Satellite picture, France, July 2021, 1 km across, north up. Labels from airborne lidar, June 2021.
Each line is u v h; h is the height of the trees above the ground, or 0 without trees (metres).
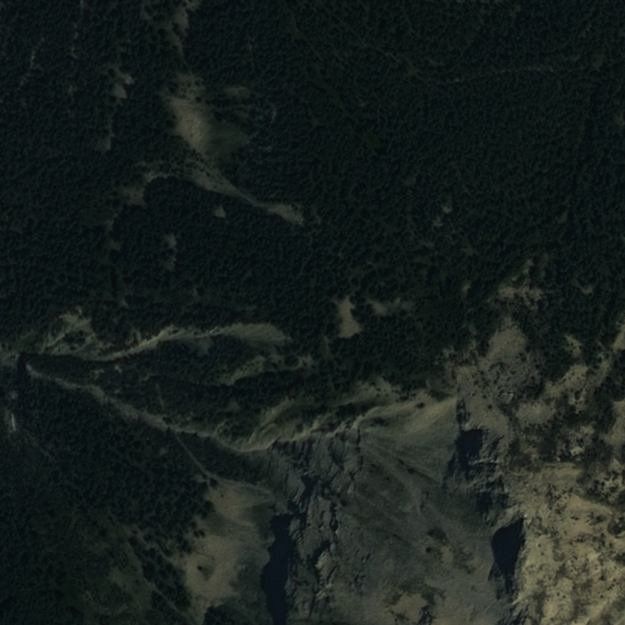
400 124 22
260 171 9
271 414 0
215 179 0
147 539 13
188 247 13
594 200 14
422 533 0
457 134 19
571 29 15
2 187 20
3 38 22
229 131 0
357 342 11
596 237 28
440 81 23
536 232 11
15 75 9
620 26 9
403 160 21
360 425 0
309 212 12
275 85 16
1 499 25
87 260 14
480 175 15
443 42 18
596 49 7
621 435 0
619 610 0
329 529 0
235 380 0
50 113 13
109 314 17
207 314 12
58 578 14
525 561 0
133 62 20
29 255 15
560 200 14
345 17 10
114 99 18
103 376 7
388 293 12
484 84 22
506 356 0
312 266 17
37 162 17
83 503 23
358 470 0
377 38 27
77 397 7
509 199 17
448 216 15
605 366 0
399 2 18
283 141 8
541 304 13
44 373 6
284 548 0
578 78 14
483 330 10
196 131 0
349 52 24
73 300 12
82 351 0
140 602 0
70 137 16
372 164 21
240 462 7
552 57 23
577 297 12
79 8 21
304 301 10
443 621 0
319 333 15
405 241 18
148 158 13
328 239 13
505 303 7
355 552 0
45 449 12
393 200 23
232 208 17
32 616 24
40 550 21
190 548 17
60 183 11
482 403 0
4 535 24
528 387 6
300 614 0
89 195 11
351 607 0
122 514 19
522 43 20
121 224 23
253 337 0
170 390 5
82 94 16
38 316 12
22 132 16
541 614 0
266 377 7
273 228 10
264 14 14
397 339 9
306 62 12
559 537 0
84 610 0
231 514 0
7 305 17
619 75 23
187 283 16
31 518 16
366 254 13
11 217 14
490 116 16
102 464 28
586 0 12
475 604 0
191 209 18
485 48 17
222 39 22
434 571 0
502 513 0
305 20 17
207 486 12
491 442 0
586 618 0
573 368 0
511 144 18
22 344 7
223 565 0
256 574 0
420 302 7
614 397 9
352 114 20
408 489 0
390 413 0
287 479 0
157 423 0
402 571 0
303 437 0
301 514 0
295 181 11
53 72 18
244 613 0
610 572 0
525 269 0
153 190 16
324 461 0
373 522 0
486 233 18
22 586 29
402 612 0
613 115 22
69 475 21
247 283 12
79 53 12
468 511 0
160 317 15
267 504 0
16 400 6
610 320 19
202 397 14
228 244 18
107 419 7
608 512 0
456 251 12
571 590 0
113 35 20
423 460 0
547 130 13
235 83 15
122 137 15
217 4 10
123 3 16
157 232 15
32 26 21
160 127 17
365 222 14
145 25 13
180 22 0
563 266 20
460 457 0
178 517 13
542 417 0
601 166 22
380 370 10
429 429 0
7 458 6
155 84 15
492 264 18
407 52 23
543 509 0
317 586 0
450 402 0
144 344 0
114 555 15
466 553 0
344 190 15
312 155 9
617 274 20
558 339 7
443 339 7
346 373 10
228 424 7
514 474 0
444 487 0
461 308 11
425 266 17
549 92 15
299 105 15
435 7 19
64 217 13
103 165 16
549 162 12
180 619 10
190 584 0
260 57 16
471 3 22
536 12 19
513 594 0
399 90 16
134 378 7
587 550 0
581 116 11
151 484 22
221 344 6
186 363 16
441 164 12
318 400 8
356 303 8
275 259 10
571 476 0
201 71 16
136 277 18
